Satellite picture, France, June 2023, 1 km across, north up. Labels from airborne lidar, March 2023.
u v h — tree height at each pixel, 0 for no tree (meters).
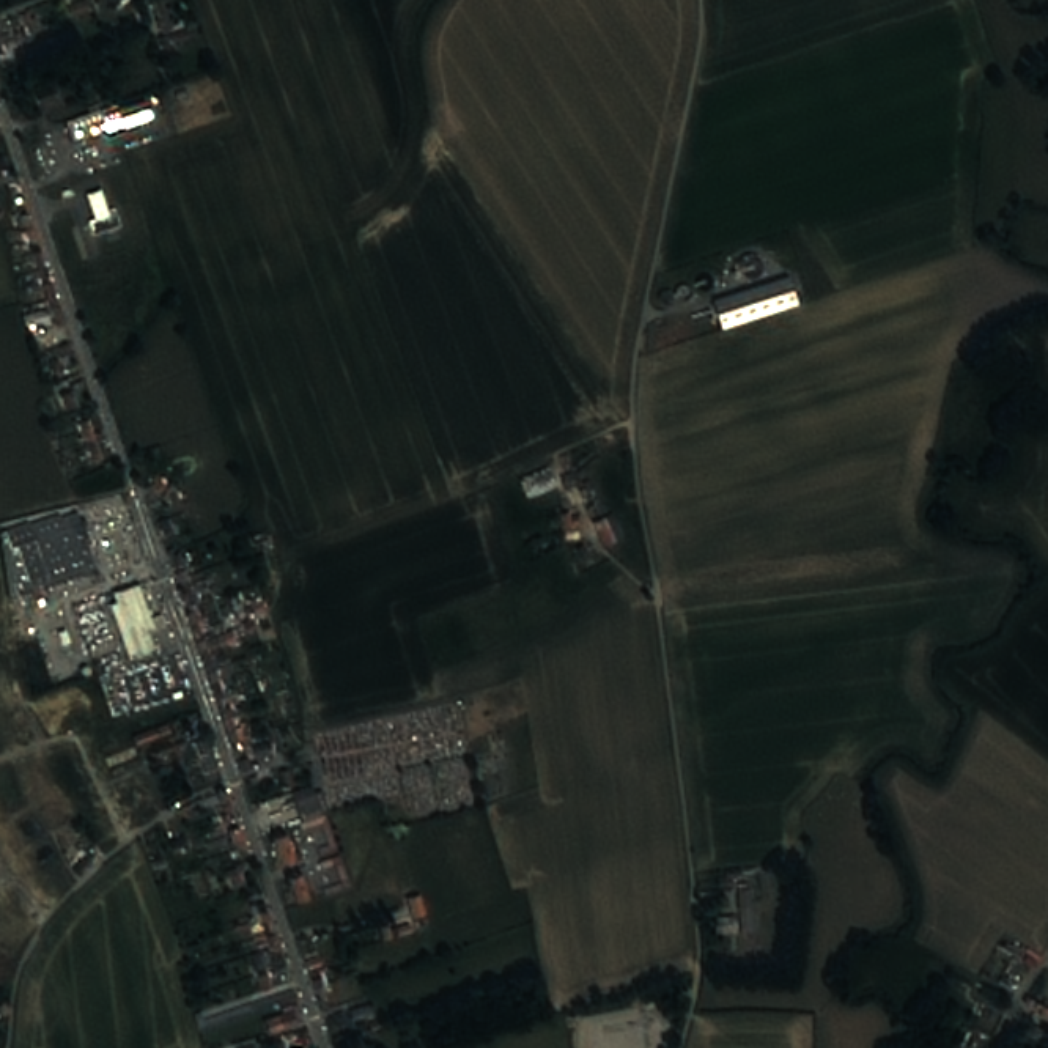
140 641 0
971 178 0
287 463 0
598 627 0
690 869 0
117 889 0
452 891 0
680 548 0
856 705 0
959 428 0
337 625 0
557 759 0
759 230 0
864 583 0
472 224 0
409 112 0
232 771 0
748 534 0
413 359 0
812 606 0
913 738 0
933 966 0
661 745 0
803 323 0
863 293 0
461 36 0
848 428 0
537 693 0
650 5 0
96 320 0
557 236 0
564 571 0
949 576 0
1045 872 0
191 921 0
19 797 0
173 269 0
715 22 0
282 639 0
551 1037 0
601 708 0
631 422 0
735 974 28
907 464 0
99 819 0
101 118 0
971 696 0
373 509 0
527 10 0
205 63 22
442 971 0
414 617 0
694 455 0
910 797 0
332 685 0
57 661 0
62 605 0
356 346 0
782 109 0
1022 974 0
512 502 0
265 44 0
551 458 0
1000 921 0
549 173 0
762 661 0
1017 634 0
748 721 0
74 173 0
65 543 0
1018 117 0
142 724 0
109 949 0
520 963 0
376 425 0
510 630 0
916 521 0
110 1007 0
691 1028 0
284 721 0
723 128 0
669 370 0
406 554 0
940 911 0
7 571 0
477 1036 22
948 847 0
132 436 0
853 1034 0
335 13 0
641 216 0
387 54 0
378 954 0
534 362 0
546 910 0
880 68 0
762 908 0
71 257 0
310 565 0
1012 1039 15
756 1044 0
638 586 0
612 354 0
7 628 0
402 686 0
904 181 0
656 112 0
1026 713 0
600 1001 14
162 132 0
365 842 0
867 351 0
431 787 0
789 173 0
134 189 0
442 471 0
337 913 0
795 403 0
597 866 0
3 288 0
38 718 0
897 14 0
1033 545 0
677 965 0
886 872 0
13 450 0
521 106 0
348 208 0
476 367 0
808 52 0
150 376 0
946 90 0
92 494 0
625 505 0
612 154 0
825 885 0
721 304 0
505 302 0
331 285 0
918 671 0
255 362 0
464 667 0
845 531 0
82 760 0
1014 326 26
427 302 0
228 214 0
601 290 0
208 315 0
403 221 0
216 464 0
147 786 0
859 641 0
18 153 0
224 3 0
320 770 0
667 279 0
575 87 0
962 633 0
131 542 0
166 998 0
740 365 0
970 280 0
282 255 0
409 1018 22
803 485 0
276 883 0
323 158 0
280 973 0
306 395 0
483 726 0
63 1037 0
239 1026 0
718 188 0
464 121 0
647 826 0
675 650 0
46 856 0
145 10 13
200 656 0
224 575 0
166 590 0
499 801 0
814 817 0
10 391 0
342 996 0
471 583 0
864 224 0
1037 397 29
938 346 0
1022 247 0
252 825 0
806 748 0
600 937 0
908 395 0
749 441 0
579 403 0
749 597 0
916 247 0
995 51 0
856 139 0
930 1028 18
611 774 0
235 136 0
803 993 0
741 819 0
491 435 0
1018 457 0
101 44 17
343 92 0
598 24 0
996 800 0
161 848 6
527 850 0
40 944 0
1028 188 0
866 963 0
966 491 0
